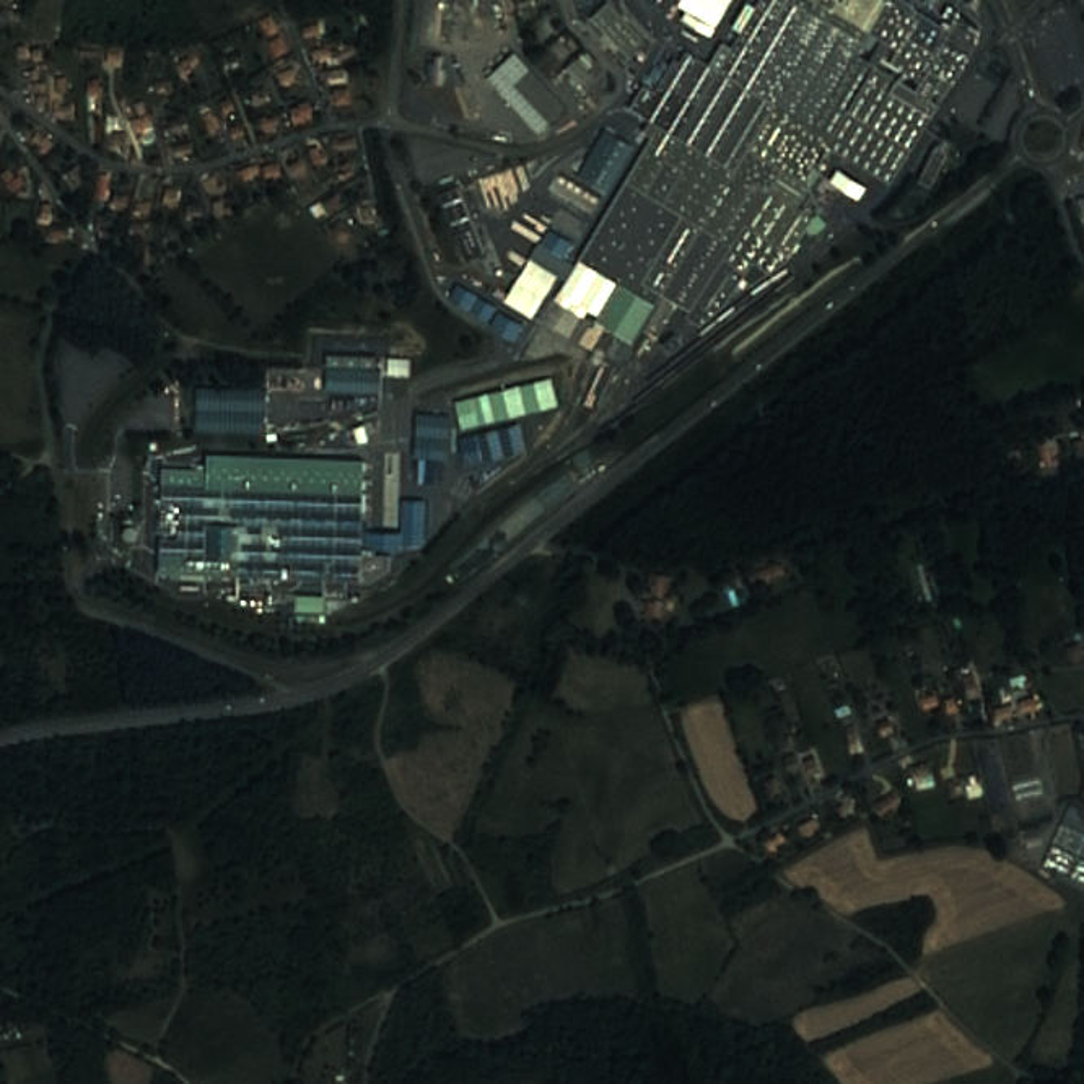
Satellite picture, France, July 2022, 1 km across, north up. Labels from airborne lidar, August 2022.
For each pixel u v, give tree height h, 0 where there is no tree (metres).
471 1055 12
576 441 0
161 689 22
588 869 0
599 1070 15
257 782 10
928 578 6
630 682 0
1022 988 0
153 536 0
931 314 13
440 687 0
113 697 6
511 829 0
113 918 13
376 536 0
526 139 0
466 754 0
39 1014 12
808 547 22
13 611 8
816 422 13
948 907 0
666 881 0
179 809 7
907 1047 0
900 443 26
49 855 8
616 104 0
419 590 0
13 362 0
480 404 0
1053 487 24
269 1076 0
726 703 12
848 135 0
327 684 0
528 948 0
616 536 19
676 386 0
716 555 18
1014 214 16
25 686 10
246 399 0
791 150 0
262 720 7
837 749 0
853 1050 0
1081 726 7
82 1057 11
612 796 0
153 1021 0
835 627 0
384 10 8
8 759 15
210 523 0
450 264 0
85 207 6
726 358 0
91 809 13
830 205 0
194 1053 0
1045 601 0
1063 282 18
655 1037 6
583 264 0
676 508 20
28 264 0
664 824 0
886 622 17
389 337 0
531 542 0
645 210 0
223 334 0
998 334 23
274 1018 5
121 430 0
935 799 0
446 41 0
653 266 0
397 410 0
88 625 8
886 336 18
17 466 9
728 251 0
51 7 0
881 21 0
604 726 0
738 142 0
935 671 0
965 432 23
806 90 0
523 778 0
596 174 0
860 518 24
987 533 15
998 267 26
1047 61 0
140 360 19
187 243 9
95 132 0
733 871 0
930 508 9
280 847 9
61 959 12
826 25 0
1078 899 0
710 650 0
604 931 0
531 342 0
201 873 0
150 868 8
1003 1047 0
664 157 0
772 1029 6
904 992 0
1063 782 0
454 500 0
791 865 0
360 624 0
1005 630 14
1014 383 0
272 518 0
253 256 0
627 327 0
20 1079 0
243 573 0
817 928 0
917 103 0
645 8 0
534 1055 14
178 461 0
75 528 0
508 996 0
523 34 8
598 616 0
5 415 0
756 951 0
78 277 14
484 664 9
